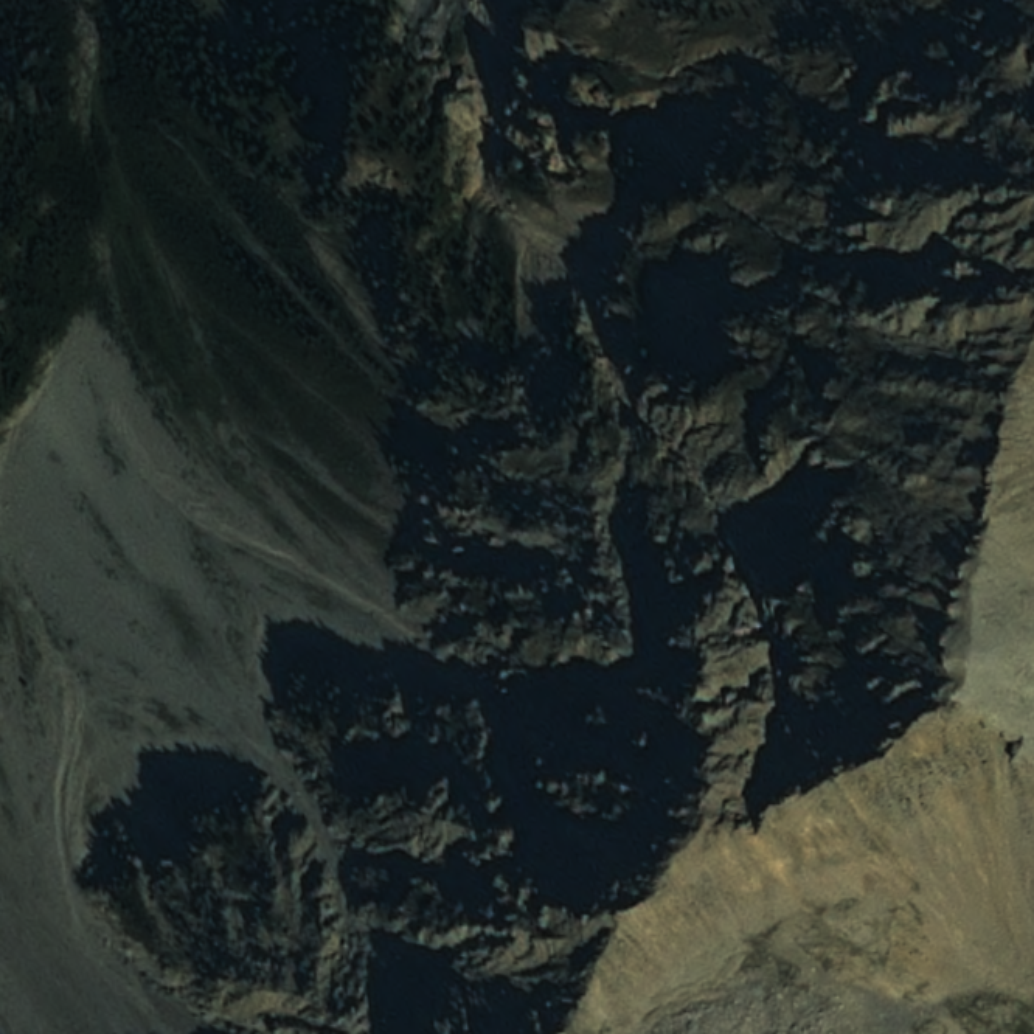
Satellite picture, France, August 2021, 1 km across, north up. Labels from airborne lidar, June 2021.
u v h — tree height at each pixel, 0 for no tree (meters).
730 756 0
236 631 0
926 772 0
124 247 0
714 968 0
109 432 0
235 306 0
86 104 0
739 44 0
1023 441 0
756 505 0
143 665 0
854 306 0
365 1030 0
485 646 0
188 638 0
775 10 0
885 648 0
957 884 0
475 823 0
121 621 0
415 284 11
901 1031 0
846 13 0
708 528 0
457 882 0
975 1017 0
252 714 0
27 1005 0
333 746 0
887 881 0
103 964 0
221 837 0
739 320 0
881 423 0
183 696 0
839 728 0
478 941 0
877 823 0
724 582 0
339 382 0
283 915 0
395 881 0
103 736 0
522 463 0
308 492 0
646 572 0
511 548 0
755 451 0
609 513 0
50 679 0
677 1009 0
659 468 0
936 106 0
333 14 22
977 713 0
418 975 0
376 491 0
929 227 0
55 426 0
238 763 0
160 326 0
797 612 0
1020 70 0
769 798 0
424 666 0
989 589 0
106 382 0
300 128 0
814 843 0
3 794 0
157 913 0
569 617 0
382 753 0
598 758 0
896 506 0
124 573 0
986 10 0
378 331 0
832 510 0
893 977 0
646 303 0
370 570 0
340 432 0
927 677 0
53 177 6
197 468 0
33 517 0
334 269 0
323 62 16
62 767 0
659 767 0
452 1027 0
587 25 0
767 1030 0
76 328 0
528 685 0
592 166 0
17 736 0
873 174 0
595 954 0
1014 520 0
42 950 0
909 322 0
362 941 0
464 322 0
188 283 0
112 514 0
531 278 0
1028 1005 0
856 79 0
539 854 0
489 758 0
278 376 0
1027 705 0
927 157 0
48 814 0
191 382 0
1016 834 0
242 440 0
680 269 0
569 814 0
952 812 0
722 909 0
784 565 0
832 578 0
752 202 0
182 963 0
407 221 7
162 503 0
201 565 0
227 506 0
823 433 0
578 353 14
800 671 0
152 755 0
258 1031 0
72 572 0
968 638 0
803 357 0
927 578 0
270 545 0
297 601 0
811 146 0
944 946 0
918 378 0
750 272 0
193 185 0
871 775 0
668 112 0
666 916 0
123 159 0
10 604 0
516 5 0
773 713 0
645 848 0
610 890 0
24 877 0
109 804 0
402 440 0
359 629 0
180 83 11
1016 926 0
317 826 0
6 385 8
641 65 0
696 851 0
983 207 0
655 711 0
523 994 0
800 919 0
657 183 0
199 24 11
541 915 0
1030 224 0
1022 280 0
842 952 0
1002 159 0
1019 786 0
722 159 0
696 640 0
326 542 0
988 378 0
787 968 0
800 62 0
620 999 0
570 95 6
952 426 0
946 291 0
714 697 0
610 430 0
